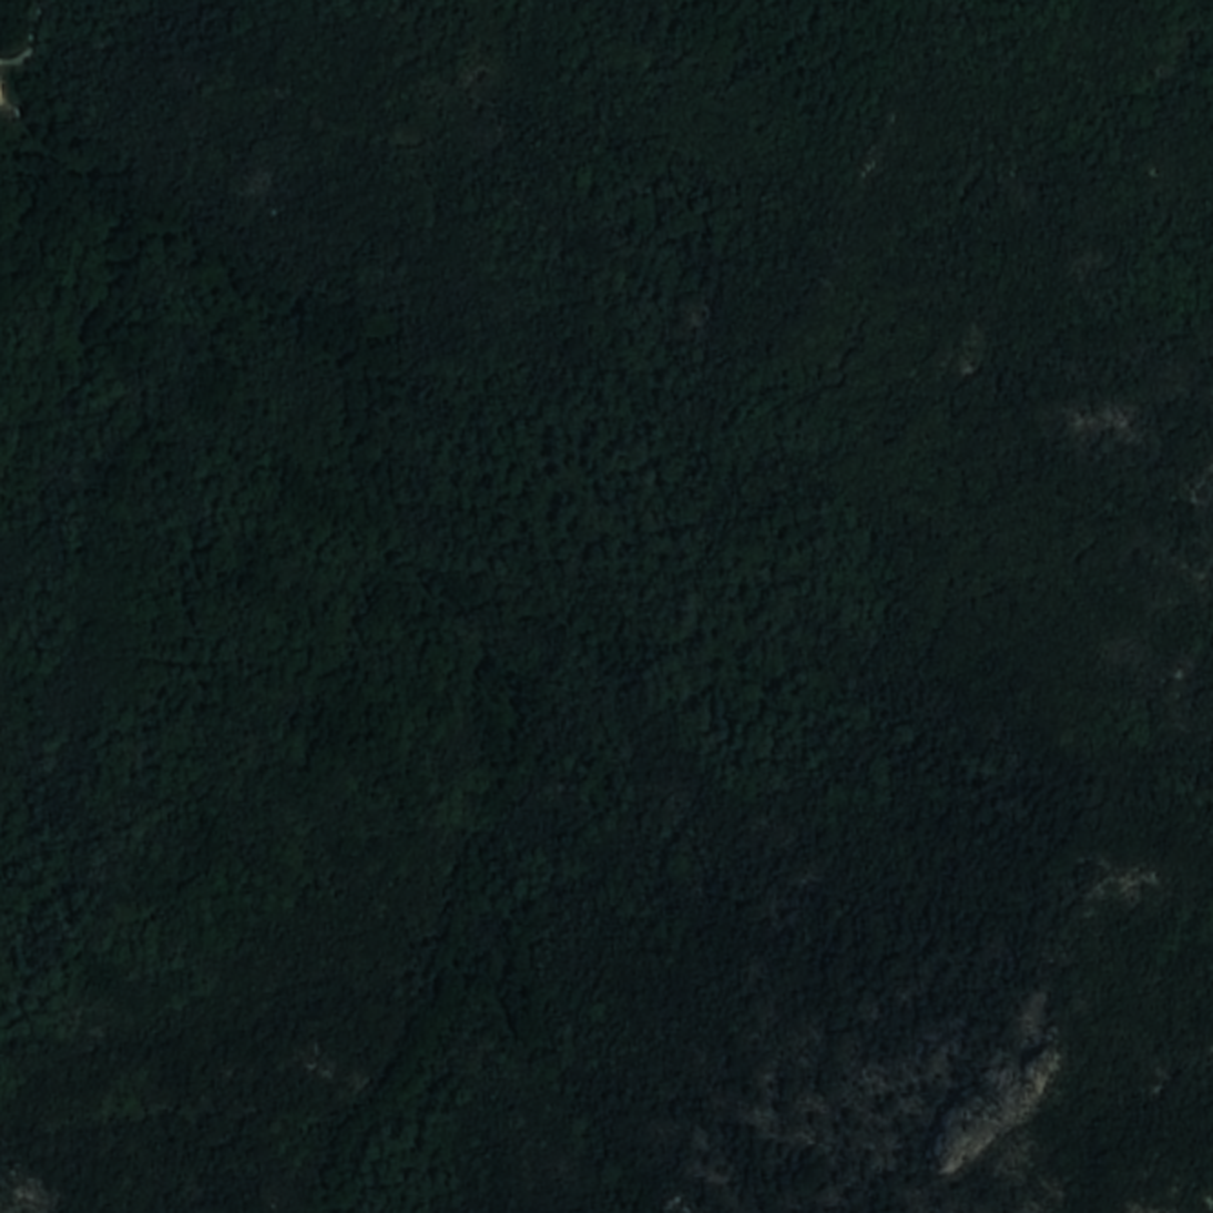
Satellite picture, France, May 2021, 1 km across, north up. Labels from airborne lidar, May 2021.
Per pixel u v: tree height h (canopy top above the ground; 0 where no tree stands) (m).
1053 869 16
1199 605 10
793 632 21
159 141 9
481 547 8
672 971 6
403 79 5
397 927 13
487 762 21
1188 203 9
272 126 9
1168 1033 11
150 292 7
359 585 7
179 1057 19
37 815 13
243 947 14
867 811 9
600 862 9
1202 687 8
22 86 11
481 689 19
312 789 9
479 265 10
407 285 7
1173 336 8
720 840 10
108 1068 12
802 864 12
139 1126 11
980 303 11
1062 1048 7
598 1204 11
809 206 9
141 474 10
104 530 6
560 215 11
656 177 9
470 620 13
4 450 16
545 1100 9
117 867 10
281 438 9
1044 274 10
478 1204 8
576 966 7
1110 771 12
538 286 9
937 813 13
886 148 7
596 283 18
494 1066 10
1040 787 10
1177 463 8
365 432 22
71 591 14
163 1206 9
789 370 14
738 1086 12
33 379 8
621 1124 9
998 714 10
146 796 11
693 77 14
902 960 16
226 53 11
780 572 15
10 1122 8
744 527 12
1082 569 17
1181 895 7
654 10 12
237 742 10
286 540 7
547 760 14
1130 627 8
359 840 9
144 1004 8
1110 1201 10
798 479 12
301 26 10
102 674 8
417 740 13
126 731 11
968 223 13
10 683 10
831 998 9
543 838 9
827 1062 9
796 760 9
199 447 7
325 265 15
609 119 14
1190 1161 9
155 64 10
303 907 17
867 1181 8
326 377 6
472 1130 11
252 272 18
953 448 14
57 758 7
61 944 8
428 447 9
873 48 22
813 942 7
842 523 8
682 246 11
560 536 12
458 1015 6
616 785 17
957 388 7
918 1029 7
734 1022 9
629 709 13
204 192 16
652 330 14
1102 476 8
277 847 12
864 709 18
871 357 15
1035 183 10
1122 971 11
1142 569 7
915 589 15
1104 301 15
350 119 12
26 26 17
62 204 23
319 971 8
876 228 14
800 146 13
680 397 15
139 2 15
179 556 15
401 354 20
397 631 16
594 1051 13
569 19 13
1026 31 13
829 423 14
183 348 10
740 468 12
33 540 17
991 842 10
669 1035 6
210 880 12
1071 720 12
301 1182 9
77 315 9
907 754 11
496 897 10
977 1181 6
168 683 15
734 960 10
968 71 13
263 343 7
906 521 11
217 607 18
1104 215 8
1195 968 13
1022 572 16
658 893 9
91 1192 14
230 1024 12
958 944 12
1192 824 12
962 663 13
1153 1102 11
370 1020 14
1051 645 10
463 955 19
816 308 7
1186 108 9
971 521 16
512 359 13
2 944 8
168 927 11
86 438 10
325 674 10
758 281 14
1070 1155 11
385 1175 16
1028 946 11
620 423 19
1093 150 10
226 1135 12
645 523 22
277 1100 10
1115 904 9
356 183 9
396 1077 24
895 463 11
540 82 10
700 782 7
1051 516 15
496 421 15
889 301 14
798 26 20
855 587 15
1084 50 9
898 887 14
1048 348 9
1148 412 8
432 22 6
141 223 24
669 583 13
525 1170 9
